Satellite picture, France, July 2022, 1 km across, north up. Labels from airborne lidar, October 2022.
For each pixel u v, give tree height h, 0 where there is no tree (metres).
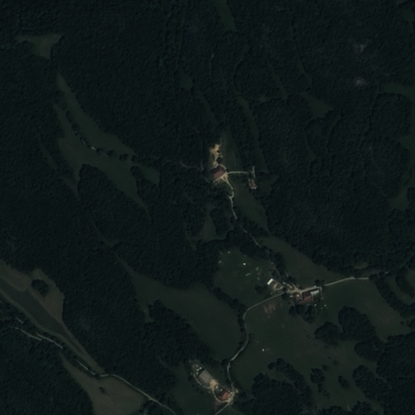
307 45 13
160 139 12
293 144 13
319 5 12
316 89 11
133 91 13
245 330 13
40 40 0
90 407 16
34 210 16
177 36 12
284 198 15
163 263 12
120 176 0
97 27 10
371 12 7
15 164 21
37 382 16
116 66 12
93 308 18
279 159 9
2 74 21
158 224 14
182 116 17
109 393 0
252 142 6
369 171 12
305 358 0
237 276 0
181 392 0
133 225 13
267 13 14
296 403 17
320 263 23
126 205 14
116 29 13
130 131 12
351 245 16
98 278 15
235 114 15
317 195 15
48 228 13
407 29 16
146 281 0
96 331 11
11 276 0
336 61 11
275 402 14
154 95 11
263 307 0
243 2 14
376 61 8
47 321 0
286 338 0
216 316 0
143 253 16
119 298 11
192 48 9
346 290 0
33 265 15
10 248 7
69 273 13
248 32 23
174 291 0
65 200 20
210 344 0
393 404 17
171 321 13
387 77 11
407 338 22
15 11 29
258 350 0
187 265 14
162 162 19
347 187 18
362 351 19
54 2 19
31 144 14
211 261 21
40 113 7
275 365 19
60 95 19
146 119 11
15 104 15
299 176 14
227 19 0
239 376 0
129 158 16
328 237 12
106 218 17
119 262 9
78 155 0
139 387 11
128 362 10
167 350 11
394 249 26
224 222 15
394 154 10
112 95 13
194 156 15
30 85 12
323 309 0
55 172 15
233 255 0
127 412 0
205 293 0
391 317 0
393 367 13
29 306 0
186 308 0
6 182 16
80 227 17
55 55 13
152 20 10
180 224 16
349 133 9
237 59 17
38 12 22
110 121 8
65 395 11
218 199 24
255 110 18
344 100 13
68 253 10
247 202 0
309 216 7
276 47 10
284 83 13
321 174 16
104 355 17
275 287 0
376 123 15
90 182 14
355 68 16
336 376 0
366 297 0
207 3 17
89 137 0
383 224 15
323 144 11
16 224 12
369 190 8
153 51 9
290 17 10
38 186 29
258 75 7
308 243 25
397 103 12
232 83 9
